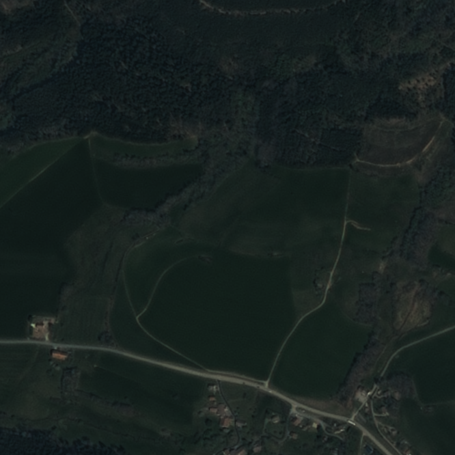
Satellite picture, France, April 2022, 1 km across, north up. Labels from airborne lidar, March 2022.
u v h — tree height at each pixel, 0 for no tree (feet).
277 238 0
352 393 76
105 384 0
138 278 0
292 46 48
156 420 0
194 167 0
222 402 0
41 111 101
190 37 51
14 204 0
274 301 0
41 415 0
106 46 104
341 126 31
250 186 0
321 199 0
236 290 0
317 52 60
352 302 0
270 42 57
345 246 0
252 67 71
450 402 0
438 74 55
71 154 0
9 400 0
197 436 27
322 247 0
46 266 0
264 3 51
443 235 0
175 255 0
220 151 63
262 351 0
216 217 0
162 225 83
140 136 48
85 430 0
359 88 61
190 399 0
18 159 0
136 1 55
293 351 0
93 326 0
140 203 0
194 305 0
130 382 0
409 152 0
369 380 0
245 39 51
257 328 0
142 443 0
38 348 0
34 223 0
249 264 0
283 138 81
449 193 50
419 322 0
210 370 0
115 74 83
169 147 0
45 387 0
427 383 0
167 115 29
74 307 0
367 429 0
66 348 0
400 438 0
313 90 74
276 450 0
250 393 0
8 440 61
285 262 0
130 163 58
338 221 0
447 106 75
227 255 0
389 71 86
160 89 76
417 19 65
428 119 0
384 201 0
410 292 0
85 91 102
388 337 0
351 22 60
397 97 45
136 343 0
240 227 0
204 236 0
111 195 0
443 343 0
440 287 0
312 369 0
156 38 26
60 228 0
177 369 0
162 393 0
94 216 0
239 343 0
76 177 0
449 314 0
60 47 42
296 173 0
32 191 0
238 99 94
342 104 58
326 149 60
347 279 0
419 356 0
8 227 0
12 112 29
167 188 0
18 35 73
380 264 0
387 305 0
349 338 0
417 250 80
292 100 79
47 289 0
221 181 61
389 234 0
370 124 41
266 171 55
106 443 0
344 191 0
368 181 0
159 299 0
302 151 63
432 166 0
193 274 0
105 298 0
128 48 88
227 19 55
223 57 65
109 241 0
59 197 0
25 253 0
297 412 0
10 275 0
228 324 0
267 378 0
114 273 0
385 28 26
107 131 61
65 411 0
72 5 105
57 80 60
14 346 0
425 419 0
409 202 0
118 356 0
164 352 0
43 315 0
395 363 0
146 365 0
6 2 77
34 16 33
